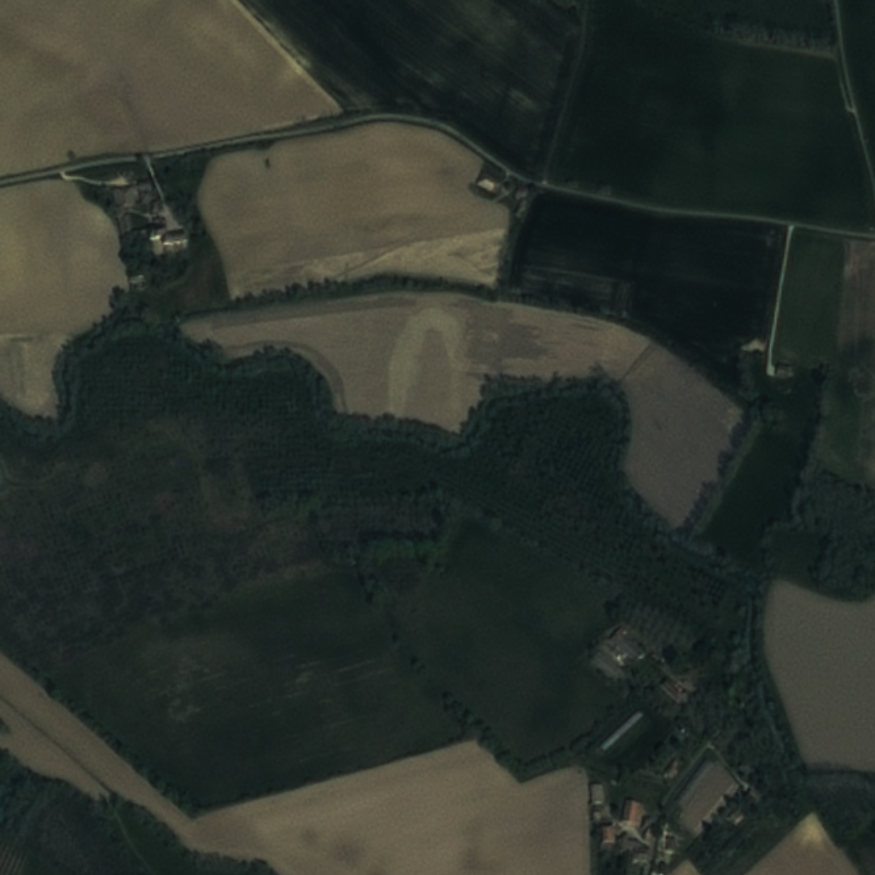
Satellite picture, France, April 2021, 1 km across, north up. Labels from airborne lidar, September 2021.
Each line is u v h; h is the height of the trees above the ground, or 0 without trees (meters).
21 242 0
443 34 0
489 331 0
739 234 0
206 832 0
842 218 0
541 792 0
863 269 0
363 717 0
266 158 0
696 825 0
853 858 0
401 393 0
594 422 6
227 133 0
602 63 0
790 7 0
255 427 9
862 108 0
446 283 10
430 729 0
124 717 0
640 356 0
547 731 0
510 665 0
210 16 0
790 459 0
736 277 0
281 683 0
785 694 0
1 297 0
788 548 0
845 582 18
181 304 0
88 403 9
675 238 0
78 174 0
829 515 21
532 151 0
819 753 0
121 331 19
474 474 6
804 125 0
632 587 13
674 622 12
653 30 0
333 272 0
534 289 0
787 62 0
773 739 28
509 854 0
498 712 0
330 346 0
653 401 0
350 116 14
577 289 0
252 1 0
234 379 10
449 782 0
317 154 0
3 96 0
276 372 12
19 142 0
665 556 10
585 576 8
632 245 0
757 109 0
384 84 0
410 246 0
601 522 11
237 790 0
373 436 14
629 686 8
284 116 0
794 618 0
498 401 12
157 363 6
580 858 0
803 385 0
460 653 0
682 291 0
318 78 0
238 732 0
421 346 0
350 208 0
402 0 0
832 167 0
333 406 18
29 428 15
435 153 0
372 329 0
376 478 7
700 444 0
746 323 0
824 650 0
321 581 0
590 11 0
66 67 0
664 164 0
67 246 0
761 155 0
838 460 0
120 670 0
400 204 0
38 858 0
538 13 0
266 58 0
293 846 0
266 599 0
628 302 0
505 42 0
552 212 0
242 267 0
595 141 0
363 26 0
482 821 0
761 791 9
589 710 0
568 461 15
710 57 0
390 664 0
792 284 0
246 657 0
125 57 0
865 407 0
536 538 6
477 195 10
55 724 0
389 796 0
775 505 0
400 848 0
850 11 0
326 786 0
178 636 0
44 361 0
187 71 0
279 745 0
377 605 20
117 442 8
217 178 0
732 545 0
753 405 8
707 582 15
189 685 0
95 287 0
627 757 0
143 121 0
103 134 0
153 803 0
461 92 0
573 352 0
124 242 10
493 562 0
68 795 13
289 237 0
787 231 0
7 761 19
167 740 0
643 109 0
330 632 0
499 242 0
